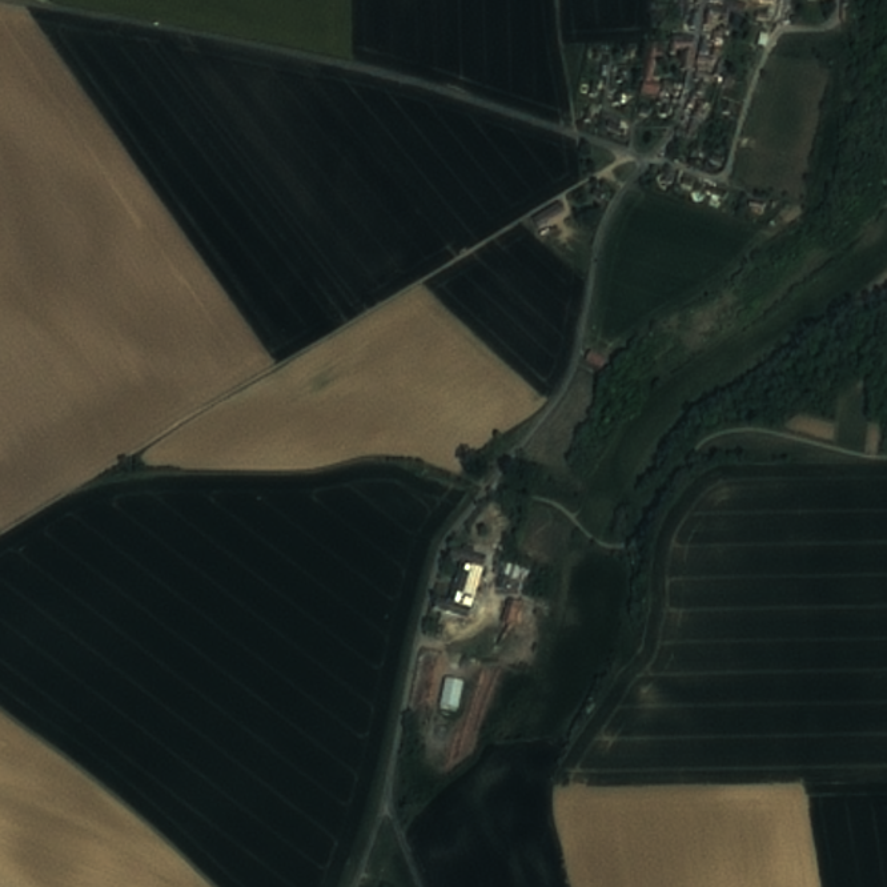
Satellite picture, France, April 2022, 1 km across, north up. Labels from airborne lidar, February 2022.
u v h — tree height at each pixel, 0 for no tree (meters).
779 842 0
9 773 0
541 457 0
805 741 0
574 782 0
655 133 0
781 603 0
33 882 0
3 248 0
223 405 0
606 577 0
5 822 0
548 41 0
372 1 0
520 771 0
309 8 0
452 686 0
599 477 0
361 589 0
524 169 0
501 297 0
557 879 0
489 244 0
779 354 10
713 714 0
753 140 0
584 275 0
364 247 0
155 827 0
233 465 0
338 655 0
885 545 0
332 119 0
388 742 0
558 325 0
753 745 0
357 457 0
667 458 13
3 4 0
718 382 0
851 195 18
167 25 0
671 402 0
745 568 0
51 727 0
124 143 0
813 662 0
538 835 0
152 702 0
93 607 0
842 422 0
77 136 0
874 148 13
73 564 0
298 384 0
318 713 0
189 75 0
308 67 0
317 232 0
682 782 0
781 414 10
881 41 10
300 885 0
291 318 0
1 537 0
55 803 0
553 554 0
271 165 0
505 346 0
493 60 0
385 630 0
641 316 0
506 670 0
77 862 0
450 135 0
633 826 0
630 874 0
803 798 0
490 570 0
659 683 0
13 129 0
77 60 0
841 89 0
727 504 0
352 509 0
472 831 0
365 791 0
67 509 0
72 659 0
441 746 0
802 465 0
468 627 0
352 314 0
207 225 0
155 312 0
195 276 0
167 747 0
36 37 0
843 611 0
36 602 0
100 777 0
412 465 8
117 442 0
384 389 0
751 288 6
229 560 0
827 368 9
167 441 0
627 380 18
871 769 0
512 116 0
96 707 0
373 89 0
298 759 0
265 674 0
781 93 0
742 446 0
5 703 0
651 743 0
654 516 15
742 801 0
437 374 0
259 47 0
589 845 0
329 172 0
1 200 0
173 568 0
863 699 0
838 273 0
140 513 0
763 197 7
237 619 0
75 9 0
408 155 0
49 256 0
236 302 0
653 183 8
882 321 19
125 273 0
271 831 0
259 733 0
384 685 0
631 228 0
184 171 0
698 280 0
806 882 0
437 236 0
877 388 17
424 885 0
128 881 0
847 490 0
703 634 0
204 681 0
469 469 29
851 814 0
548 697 0
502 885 0
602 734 0
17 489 0
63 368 0
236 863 0
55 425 0
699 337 0
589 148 12
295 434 0
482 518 0
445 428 0
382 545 0
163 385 0
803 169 0
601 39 0
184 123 0
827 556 0
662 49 13
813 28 0
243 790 0
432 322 0
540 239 0
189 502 0
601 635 0
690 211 0
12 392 0
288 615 0
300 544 0
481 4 0
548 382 0
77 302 0
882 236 0
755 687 0
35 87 0
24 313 0
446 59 0
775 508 0
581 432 14
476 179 0
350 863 0
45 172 0
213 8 0
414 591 0
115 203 0
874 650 0
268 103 0
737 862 0
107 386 0
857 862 0
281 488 0
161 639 0
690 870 0
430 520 0
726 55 0
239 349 0
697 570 0
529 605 0
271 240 0
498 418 0
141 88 0
